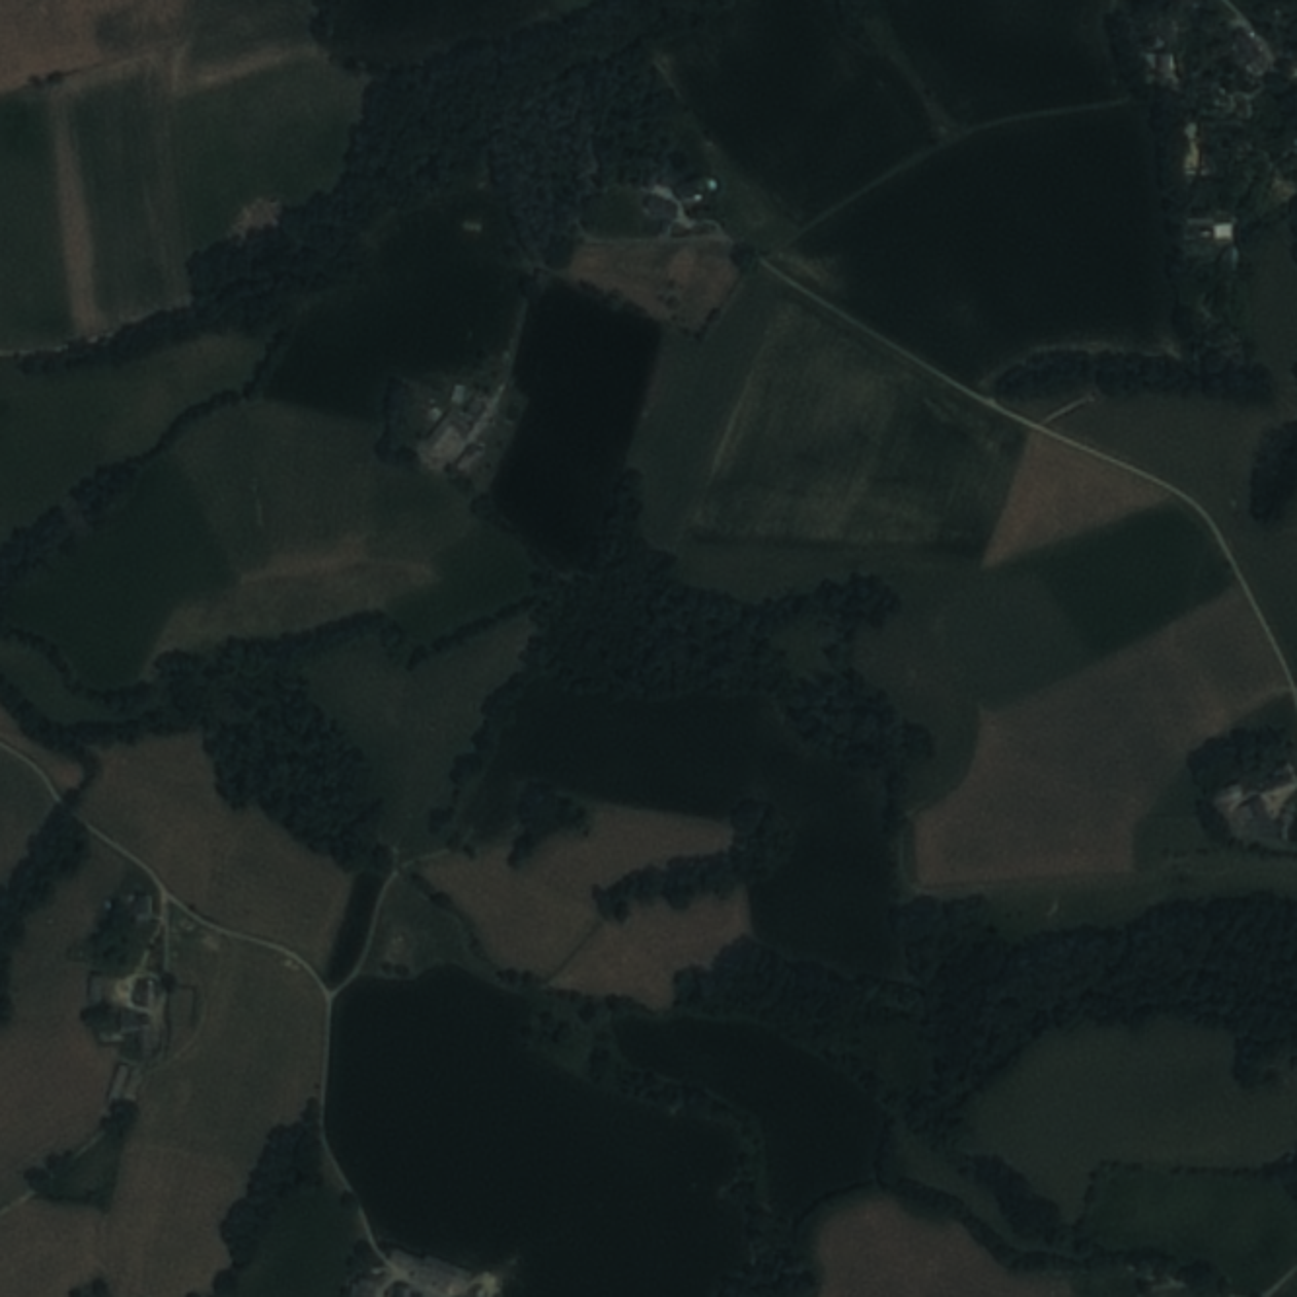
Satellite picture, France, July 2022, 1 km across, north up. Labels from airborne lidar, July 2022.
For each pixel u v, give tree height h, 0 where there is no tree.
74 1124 0
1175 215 15
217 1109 0
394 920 0
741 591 0
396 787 0
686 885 26
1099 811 0
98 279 0
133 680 0
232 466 0
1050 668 0
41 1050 0
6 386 0
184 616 0
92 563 0
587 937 0
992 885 0
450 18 0
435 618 0
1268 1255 0
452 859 0
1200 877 0
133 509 0
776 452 0
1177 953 31
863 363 0
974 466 0
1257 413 0
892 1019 11
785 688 16
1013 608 0
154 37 0
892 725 24
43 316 0
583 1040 0
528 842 14
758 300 0
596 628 10
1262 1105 0
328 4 16
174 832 0
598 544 13
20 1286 0
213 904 0
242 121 0
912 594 0
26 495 0
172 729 15
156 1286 0
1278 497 20
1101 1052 0
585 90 25
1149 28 8
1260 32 13
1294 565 0
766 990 25
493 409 0
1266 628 0
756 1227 6
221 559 0
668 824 0
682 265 0
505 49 20
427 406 0
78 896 0
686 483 0
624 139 12
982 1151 0
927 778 0
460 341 0
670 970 0
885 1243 0
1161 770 0
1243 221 9
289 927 0
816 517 0
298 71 0
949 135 0
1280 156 7
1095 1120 0
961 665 0
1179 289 15
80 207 0
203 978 0
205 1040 0
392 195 22
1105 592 0
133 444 0
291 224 23
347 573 0
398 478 0
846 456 0
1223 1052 0
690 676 15
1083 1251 20
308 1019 0
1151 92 9
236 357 0
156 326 15
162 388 0
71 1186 0
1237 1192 0
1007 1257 20
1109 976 30
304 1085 0
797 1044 17
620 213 0
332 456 0
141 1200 0
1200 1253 0
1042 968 35
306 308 0
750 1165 13
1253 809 0
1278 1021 24
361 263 19
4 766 0
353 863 26
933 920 30
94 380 0
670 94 21
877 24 0
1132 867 0
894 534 0
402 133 27
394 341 0
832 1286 0
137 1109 10
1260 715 0
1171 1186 0
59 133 0
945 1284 0
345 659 0
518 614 15
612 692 14
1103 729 0
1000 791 0
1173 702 0
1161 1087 0
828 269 0
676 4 16
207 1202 0
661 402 0
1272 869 0
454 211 0
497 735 7
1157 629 0
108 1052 0
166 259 0
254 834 0
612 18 27
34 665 0
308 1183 19
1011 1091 0
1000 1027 25
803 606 23
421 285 0
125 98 0
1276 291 0
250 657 15
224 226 0
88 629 0
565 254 19
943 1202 17
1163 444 0
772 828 24
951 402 0
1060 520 0
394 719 0
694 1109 17
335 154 0
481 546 0
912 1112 16
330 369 0
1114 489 0
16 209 0
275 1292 0
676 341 0
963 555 0
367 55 0
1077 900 0
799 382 0
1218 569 0
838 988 24
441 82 21
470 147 27
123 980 0
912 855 0
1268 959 25
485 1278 0
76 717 0
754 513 0
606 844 0
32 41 0
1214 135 7
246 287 20
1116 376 24
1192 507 0
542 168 22
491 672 0
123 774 0
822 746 26
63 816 17
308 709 30
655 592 16
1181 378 22
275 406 0
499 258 0
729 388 0
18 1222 0
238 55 0
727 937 0
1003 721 0
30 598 0
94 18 0
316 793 27
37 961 0
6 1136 0
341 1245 0
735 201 0
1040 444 0
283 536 0
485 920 0
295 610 0
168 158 0
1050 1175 0
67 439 0
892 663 0
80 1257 0
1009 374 8
